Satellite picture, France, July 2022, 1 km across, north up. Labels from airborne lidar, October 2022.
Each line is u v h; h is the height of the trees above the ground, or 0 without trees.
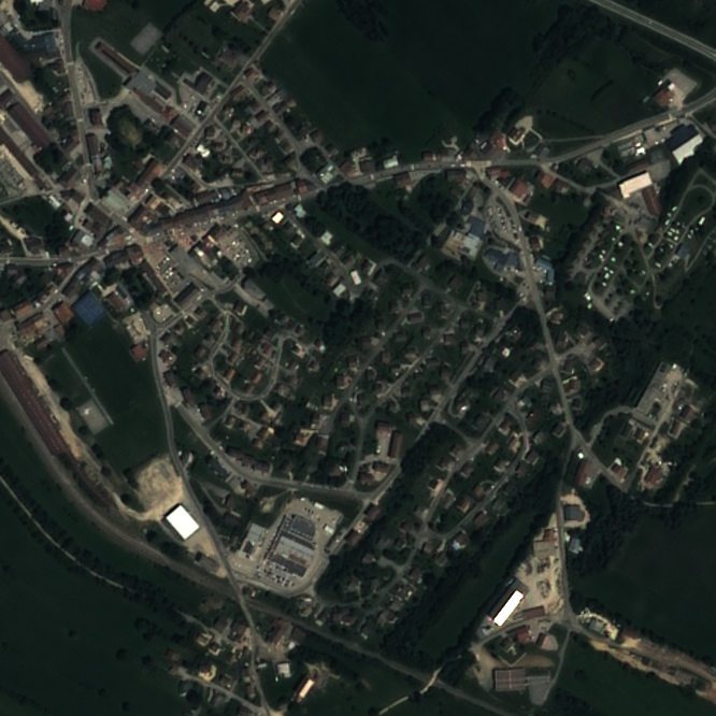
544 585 0
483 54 0
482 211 7
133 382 0
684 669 0
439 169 0
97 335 0
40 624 0
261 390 0
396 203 0
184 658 0
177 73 0
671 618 0
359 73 0
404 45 0
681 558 0
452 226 21
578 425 6
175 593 0
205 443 0
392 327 0
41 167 8
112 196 0
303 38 0
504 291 18
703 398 0
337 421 6
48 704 0
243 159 0
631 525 24
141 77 0
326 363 0
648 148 0
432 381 0
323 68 0
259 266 0
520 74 0
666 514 21
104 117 0
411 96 0
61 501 0
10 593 0
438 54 0
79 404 0
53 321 0
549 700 0
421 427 0
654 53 0
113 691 0
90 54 0
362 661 10
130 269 7
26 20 11
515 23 0
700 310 0
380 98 0
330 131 0
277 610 0
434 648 0
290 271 21
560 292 7
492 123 15
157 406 0
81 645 0
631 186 0
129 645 0
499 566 0
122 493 0
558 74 0
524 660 0
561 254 8
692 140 0
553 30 10
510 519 14
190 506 0
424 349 0
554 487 20
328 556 0
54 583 0
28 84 0
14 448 0
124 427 0
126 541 0
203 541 0
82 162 0
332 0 0
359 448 0
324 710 0
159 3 0
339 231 0
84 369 0
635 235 0
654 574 0
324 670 0
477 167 0
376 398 0
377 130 0
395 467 0
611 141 0
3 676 0
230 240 0
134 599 14
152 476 0
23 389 0
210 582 0
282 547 0
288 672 0
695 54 0
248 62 0
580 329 0
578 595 9
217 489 0
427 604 8
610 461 0
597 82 0
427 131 0
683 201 0
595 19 22
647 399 0
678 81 0
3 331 0
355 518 0
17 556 0
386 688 0
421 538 0
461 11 0
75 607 0
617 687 0
